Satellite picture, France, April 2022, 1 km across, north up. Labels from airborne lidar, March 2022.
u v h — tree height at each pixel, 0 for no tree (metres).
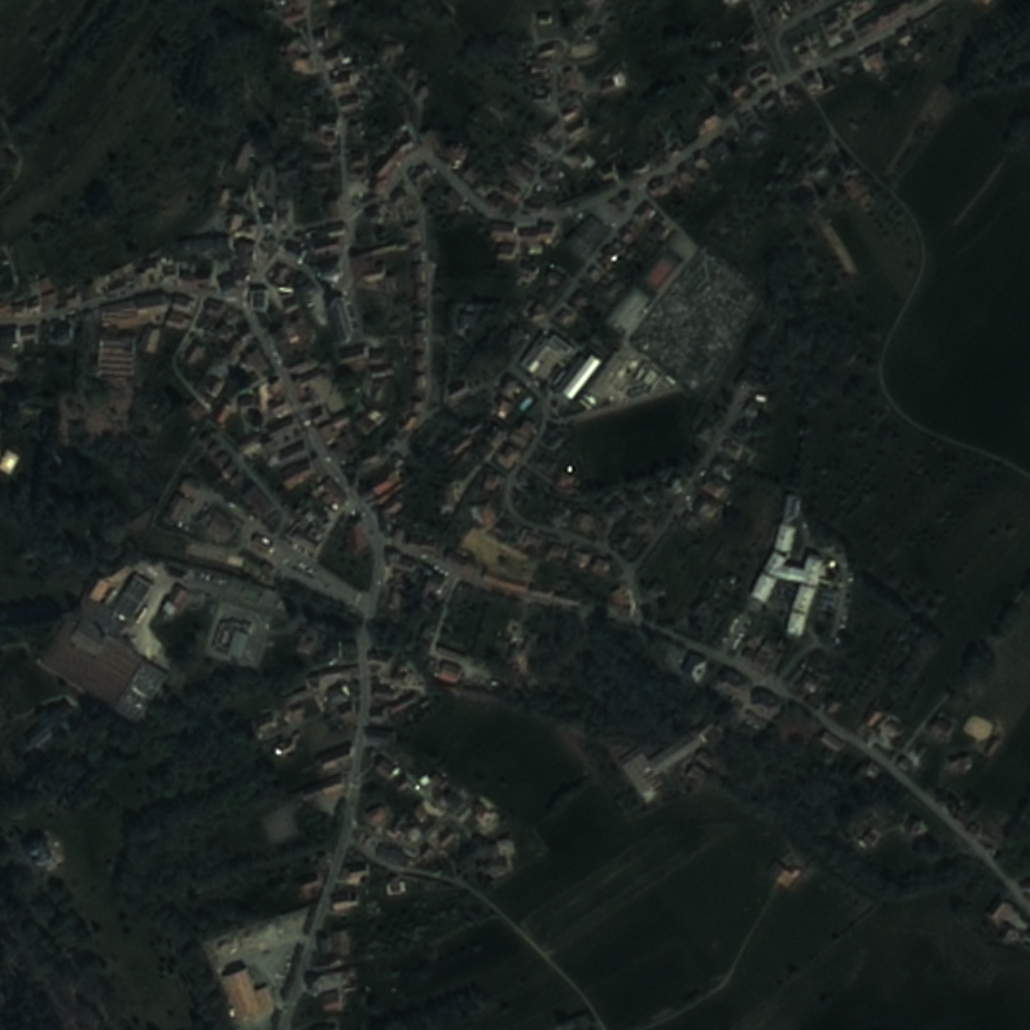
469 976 0
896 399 0
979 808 15
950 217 0
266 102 19
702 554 0
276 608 0
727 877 0
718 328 0
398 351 0
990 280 0
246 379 22
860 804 27
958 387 0
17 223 0
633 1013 0
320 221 0
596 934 0
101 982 25
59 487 0
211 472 0
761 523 0
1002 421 0
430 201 7
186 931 25
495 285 0
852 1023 0
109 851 0
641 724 23
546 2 0
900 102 0
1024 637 0
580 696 5
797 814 27
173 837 26
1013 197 0
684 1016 0
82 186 0
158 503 18
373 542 0
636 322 0
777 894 0
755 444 11
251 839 0
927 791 0
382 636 20
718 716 14
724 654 0
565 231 0
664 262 0
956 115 0
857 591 0
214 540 0
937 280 0
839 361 14
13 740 0
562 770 0
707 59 14
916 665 8
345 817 11
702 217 0
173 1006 0
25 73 0
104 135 0
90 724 28
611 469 0
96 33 19
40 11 0
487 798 0
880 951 0
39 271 0
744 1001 0
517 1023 0
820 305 7
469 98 0
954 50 0
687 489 0
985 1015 0
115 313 0
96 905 0
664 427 0
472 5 0
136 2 20
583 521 0
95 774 25
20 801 21
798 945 0
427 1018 15
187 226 0
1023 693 0
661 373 0
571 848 0
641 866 0
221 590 0
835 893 0
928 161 0
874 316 0
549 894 0
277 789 24
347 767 0
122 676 0
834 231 0
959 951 0
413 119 6
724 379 0
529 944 0
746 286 0
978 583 0
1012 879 0
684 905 0
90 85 0
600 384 0
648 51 0
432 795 0
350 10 10
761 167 0
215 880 20
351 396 15
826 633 15
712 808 0
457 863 11
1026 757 0
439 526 8
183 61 10
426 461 18
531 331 0
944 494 0
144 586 0
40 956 25
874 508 0
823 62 0
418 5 22
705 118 0
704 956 0
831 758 6
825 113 0
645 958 0
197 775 28
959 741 0
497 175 7
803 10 0
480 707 0
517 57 20
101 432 0
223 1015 22
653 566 0
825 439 0
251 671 5
